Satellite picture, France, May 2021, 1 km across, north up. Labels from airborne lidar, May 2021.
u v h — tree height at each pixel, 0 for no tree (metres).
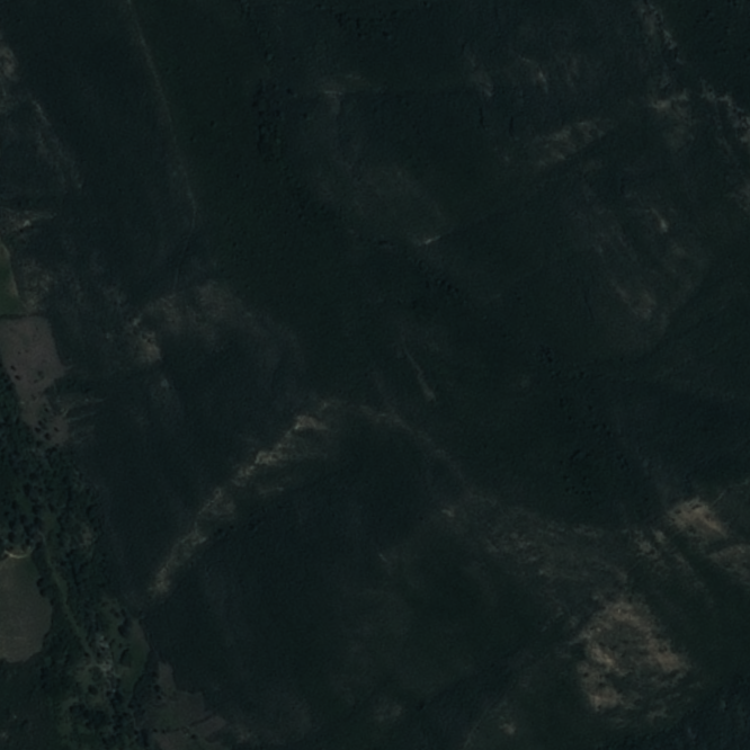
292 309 6
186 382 5
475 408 6
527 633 6
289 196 6
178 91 6
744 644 6
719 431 7
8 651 0
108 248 6
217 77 5
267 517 6
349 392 6
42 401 0
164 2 6
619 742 8
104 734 10
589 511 6
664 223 0
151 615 6
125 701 28
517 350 7
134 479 6
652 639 0
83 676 0
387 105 6
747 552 0
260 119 10
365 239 8
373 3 7
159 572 0
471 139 5
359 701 6
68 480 18
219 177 6
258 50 6
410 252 6
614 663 0
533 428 7
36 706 6
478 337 5
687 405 6
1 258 0
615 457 6
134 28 0
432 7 6
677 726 9
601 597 0
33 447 20
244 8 18
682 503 0
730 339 6
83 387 8
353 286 5
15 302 0
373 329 7
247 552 6
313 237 6
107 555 16
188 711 0
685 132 0
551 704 6
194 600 6
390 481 5
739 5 14
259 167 7
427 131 6
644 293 0
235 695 5
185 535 0
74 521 25
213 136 6
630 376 8
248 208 7
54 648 15
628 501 7
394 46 7
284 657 5
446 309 7
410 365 6
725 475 6
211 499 0
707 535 0
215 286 0
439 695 6
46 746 9
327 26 6
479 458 6
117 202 6
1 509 7
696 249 0
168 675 0
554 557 0
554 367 7
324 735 7
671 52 6
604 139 6
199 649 6
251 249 6
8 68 0
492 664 7
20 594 0
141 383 6
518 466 5
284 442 0
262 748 6
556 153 0
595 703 0
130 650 6
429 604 6
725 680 6
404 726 7
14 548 12
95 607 17
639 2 0
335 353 7
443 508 0
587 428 6
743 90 6
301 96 7
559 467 6
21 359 0
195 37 5
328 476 7
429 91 7
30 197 6
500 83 6
